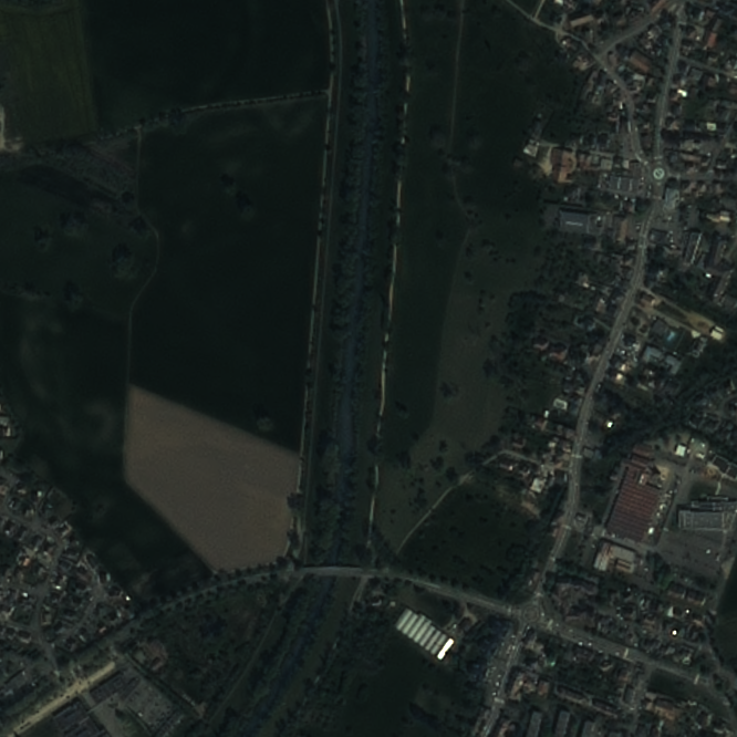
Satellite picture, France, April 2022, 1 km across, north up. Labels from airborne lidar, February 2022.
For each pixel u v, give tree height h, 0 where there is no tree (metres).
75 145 16
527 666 0
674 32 0
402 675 0
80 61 0
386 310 6
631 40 0
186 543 0
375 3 0
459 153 0
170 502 0
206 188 0
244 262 0
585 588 0
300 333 0
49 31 0
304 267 0
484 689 7
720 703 0
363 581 0
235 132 0
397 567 20
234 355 0
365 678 0
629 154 0
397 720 0
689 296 6
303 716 15
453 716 7
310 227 0
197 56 0
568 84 0
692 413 0
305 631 0
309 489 0
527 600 0
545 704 0
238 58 0
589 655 0
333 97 0
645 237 0
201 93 0
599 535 0
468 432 0
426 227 0
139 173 0
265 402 0
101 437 0
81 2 0
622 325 0
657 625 0
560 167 0
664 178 0
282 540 0
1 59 0
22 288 0
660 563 14
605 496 15
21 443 0
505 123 0
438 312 0
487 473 7
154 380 0
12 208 0
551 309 6
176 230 0
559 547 0
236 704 0
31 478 15
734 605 0
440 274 0
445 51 0
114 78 0
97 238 0
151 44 0
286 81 0
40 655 7
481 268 0
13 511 0
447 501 6
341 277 25
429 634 0
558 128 0
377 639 13
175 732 0
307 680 0
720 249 0
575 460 0
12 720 19
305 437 0
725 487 0
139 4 0
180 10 0
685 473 0
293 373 0
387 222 0
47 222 0
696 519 0
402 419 0
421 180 0
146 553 0
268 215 0
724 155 0
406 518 0
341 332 17
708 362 0
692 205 0
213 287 0
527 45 0
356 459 11
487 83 0
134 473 0
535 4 0
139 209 0
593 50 11
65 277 0
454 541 0
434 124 0
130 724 0
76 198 0
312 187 0
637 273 0
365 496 0
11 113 0
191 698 0
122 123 0
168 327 0
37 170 0
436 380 0
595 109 0
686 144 0
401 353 0
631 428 10
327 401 0
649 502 0
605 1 6
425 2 0
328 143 0
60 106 0
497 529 0
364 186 0
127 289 0
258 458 0
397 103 0
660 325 0
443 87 0
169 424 0
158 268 0
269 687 20
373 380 0
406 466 25
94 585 0
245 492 0
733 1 6
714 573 0
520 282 0
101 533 0
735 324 9
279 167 0
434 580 9
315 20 0
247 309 0
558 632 0
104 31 0
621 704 0
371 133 0
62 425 0
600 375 0
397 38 0
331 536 22
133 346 0
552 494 12
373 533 22
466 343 0
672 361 0
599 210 0
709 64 0
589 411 0
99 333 0
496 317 0
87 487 0
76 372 0
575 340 11
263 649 0
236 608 0
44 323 0
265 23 0
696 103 0
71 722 0
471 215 7
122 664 0
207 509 0
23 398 0
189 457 0
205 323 0
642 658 0
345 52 0
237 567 0
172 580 0
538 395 0
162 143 0
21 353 0
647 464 0
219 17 0
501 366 15
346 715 0
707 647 0
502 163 0
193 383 0
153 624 14
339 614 0
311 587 13
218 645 13
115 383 0
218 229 0
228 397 0
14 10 0
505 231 0
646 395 0
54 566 0
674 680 0
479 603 0
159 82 0
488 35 0
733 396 0
